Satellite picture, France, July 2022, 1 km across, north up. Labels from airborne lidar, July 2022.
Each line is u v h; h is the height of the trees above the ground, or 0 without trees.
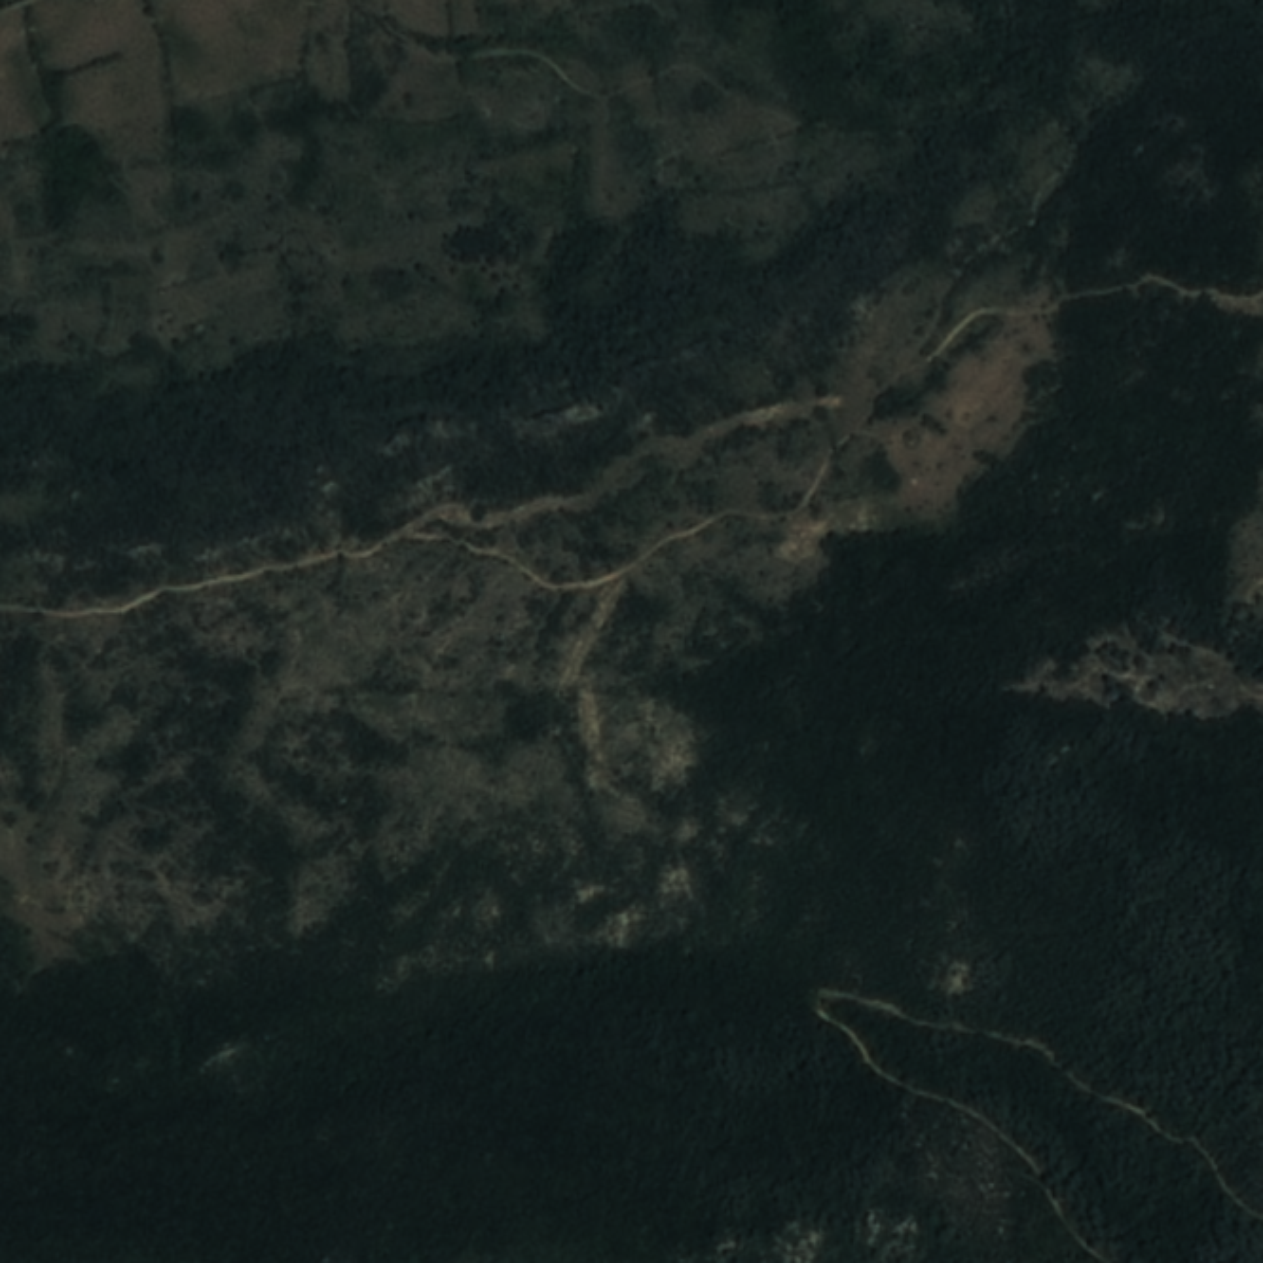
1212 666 0
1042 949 6
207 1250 6
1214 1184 11
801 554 0
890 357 0
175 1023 7
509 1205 9
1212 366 9
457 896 6
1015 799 17
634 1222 12
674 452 0
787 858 8
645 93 0
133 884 0
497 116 0
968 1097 14
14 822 0
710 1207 10
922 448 0
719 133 0
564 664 0
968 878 8
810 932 8
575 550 5
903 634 6
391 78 0
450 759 0
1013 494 10
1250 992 15
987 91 6
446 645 0
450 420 8
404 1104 7
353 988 11
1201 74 6
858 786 8
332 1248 6
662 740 0
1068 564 8
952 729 8
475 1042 10
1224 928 14
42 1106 9
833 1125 18
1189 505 7
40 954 0
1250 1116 22
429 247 0
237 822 6
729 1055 19
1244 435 6
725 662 6
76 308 0
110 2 0
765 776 5
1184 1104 22
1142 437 9
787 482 0
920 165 7
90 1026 6
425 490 0
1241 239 6
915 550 10
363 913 5
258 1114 10
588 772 0
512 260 6
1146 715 12
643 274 8
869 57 6
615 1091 9
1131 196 6
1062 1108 17
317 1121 9
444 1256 7
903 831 7
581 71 0
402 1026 11
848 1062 19
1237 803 11
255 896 6
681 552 0
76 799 0
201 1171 7
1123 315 7
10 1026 7
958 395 0
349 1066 15
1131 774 15
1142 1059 11
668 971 15
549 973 12
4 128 0
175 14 0
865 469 0
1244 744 7
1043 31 6
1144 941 16
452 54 7
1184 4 6
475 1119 7
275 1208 7
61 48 0
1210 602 6
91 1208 8
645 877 6
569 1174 6
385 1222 6
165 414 8
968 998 7
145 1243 6
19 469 6
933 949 5
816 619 6
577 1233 10
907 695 10
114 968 9
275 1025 9
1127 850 15
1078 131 9
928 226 6
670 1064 10
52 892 0
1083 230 8
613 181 0
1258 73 7
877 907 7
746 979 13
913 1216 8
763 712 9
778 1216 8
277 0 0
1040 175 0
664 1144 12
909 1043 13
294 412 7
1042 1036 9
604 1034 11
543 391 6
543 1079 8
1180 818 10
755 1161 15
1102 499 6
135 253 0
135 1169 9
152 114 0
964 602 7
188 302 0
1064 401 6
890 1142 21
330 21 0
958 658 6
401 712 0
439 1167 7
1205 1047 19
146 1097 9
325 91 0
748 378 0
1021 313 0
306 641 0
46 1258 5
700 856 6
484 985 8
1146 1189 18
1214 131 9
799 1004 10
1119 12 8
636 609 6
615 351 9
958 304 0
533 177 0
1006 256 6
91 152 7
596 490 0
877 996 6
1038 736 15
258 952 6
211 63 0
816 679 6
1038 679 0
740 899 5
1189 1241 13
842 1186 14
